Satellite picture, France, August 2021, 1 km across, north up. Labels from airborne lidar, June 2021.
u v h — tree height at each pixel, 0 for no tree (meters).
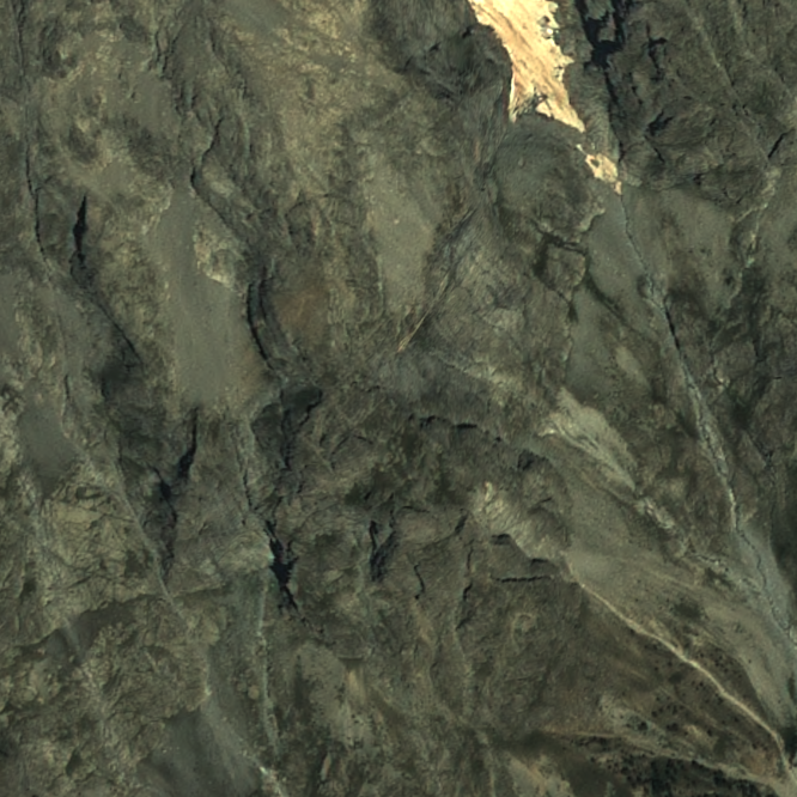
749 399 0
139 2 0
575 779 0
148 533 0
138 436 0
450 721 0
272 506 0
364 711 0
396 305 0
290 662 0
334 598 0
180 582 0
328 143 0
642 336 0
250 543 0
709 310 0
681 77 0
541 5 0
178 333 0
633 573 0
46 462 0
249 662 0
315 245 0
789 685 0
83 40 0
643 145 0
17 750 0
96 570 0
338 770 0
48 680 0
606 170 0
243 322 0
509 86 0
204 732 0
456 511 0
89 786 0
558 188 0
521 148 0
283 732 0
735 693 0
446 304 0
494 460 0
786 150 0
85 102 0
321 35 0
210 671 0
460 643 0
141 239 0
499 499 0
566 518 0
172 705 0
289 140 0
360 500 0
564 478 0
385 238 0
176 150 0
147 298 0
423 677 0
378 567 0
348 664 0
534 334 0
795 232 0
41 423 0
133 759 0
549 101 0
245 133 0
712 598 0
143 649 0
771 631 0
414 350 0
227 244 0
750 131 0
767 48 0
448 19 0
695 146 0
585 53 0
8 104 0
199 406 0
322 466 0
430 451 0
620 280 0
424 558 0
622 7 0
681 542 0
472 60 0
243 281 0
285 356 0
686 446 0
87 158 0
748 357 0
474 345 0
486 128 0
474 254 0
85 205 0
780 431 0
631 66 0
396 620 0
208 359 0
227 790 0
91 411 0
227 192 0
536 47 0
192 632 0
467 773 0
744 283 0
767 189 0
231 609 0
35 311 0
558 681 0
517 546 0
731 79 0
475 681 0
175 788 0
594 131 0
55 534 0
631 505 0
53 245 0
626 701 0
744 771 0
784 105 0
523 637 0
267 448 0
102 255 0
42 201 0
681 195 0
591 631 0
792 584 0
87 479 0
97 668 0
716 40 0
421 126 0
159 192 0
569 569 0
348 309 0
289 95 0
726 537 0
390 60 0
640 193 0
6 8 0
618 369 0
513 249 0
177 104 0
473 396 0
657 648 6
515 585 0
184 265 0
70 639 0
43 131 0
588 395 0
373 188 0
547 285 0
